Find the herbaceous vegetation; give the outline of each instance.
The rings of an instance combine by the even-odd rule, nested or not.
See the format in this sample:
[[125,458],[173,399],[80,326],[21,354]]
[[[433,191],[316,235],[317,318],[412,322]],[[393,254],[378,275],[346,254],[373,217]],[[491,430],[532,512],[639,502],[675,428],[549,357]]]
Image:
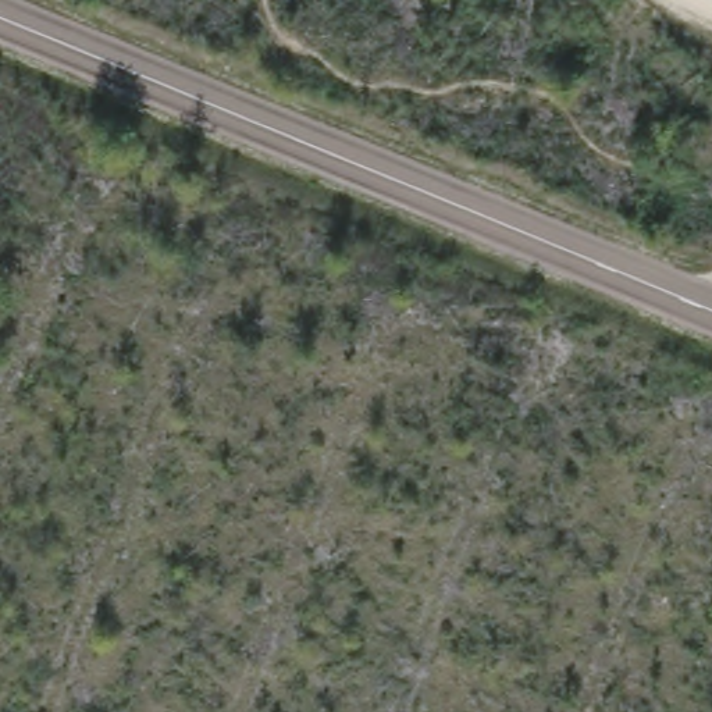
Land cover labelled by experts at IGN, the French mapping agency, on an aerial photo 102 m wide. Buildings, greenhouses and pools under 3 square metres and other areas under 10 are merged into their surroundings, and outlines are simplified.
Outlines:
[[631,231],[626,220],[620,214],[587,209],[579,197],[567,192],[551,192],[548,186],[537,184],[526,170],[495,161],[476,161],[451,145],[417,134],[409,125],[406,106],[398,108],[392,117],[381,120],[348,103],[331,103],[325,97],[314,97],[306,92],[284,92],[273,83],[273,75],[261,67],[261,61],[253,53],[211,53],[206,39],[200,36],[178,39],[170,31],[161,31],[142,19],[131,19],[128,14],[117,14],[106,6],[72,0],[28,0],[61,17],[86,17],[86,25],[108,36],[117,36],[147,53],[178,61],[181,67],[189,67],[223,83],[239,86],[250,95],[267,97],[281,106],[292,106],[312,120],[348,131],[350,136],[367,139],[401,156],[417,159],[420,164],[442,170],[453,178],[484,178],[501,186],[503,197],[517,200],[545,217],[556,217],[609,242],[623,242],[634,250],[640,250],[645,242],[645,236],[640,231]]

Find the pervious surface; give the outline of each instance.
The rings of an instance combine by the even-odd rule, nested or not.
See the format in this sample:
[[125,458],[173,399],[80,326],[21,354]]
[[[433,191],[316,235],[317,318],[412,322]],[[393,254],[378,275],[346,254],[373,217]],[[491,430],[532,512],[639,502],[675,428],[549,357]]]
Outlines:
[[270,31],[275,45],[298,56],[317,58],[325,72],[331,72],[337,81],[353,89],[362,86],[362,78],[348,72],[339,61],[331,61],[320,47],[312,47],[295,33],[289,33],[278,22],[273,0],[259,0],[259,19]]
[[712,33],[712,0],[656,0],[676,19]]
[[442,86],[423,86],[412,78],[373,78],[370,92],[403,89],[420,97],[448,97],[459,89],[473,86],[490,92],[515,92],[515,81],[498,78],[459,78]]

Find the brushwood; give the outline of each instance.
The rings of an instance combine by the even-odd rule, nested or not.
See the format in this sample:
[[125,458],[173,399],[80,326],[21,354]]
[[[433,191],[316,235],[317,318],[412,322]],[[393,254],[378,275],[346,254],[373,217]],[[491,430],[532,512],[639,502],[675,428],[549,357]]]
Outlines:
[[153,239],[159,239],[161,248],[147,259],[150,267],[170,273],[200,273],[200,259],[206,256],[211,242],[206,234],[211,228],[225,228],[234,220],[248,223],[250,228],[261,223],[278,225],[281,220],[312,220],[312,234],[323,236],[325,248],[331,250],[331,256],[323,261],[323,273],[328,278],[342,278],[348,286],[356,286],[353,300],[348,306],[359,314],[364,312],[364,298],[373,289],[401,295],[423,306],[428,317],[439,317],[448,306],[481,306],[484,314],[492,320],[537,320],[551,312],[559,314],[559,320],[565,323],[562,337],[573,345],[609,348],[623,334],[631,339],[648,339],[654,345],[645,367],[645,387],[651,389],[651,395],[626,392],[626,409],[670,406],[676,398],[687,395],[712,398],[712,342],[676,334],[662,323],[642,317],[620,303],[612,303],[584,286],[548,281],[540,270],[520,270],[517,264],[501,256],[481,253],[473,245],[439,236],[431,228],[403,220],[389,209],[328,189],[314,175],[298,175],[292,170],[259,161],[234,147],[206,139],[197,153],[203,167],[189,181],[184,181],[181,175],[172,184],[175,200],[147,195],[142,200],[142,209],[120,209],[120,220],[128,231],[145,231]]

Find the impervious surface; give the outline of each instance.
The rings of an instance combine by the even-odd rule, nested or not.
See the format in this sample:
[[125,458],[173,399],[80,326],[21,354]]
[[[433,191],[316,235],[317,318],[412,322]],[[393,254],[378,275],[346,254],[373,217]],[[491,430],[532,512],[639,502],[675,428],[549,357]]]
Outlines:
[[673,267],[668,259],[659,259],[651,245],[645,242],[640,250],[634,250],[623,242],[609,242],[556,217],[545,217],[517,200],[503,197],[501,186],[484,178],[453,178],[442,170],[420,164],[417,159],[401,156],[367,139],[350,136],[348,131],[312,120],[292,106],[281,106],[267,97],[250,95],[239,86],[223,83],[189,67],[181,67],[178,61],[147,53],[117,36],[108,36],[86,25],[86,17],[61,17],[28,0],[0,0],[0,50],[3,56],[17,58],[25,67],[47,72],[42,78],[45,95],[56,103],[61,114],[67,114],[70,120],[86,117],[92,125],[106,131],[106,136],[122,136],[125,131],[131,131],[139,128],[142,120],[150,114],[170,125],[203,128],[206,139],[234,147],[259,161],[292,170],[298,175],[314,175],[328,189],[389,209],[403,220],[431,228],[439,236],[473,245],[481,253],[501,256],[517,264],[520,270],[540,270],[548,281],[584,286],[612,303],[620,303],[642,317],[662,323],[676,334],[712,342],[712,273],[684,273]]

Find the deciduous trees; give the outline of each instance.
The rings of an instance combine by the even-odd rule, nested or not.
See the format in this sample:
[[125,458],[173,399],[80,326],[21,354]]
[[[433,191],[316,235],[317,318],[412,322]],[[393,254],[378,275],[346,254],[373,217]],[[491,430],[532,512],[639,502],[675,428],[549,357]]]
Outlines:
[[584,145],[573,156],[576,167],[587,181],[592,181],[592,186],[606,189],[606,200],[623,197],[634,203],[634,217],[626,220],[631,231],[640,231],[645,236],[645,242],[651,245],[656,236],[673,236],[679,245],[687,245],[698,234],[712,234],[712,33],[676,19],[656,0],[534,0],[531,47],[548,50],[545,70],[556,83],[534,86],[531,103],[551,100],[565,114],[565,122]]
[[134,170],[134,164],[145,156],[145,147],[139,147],[131,131],[125,131],[122,136],[106,136],[106,131],[92,125],[86,117],[70,120],[67,114],[61,114],[56,103],[45,95],[22,95],[14,86],[11,75],[0,75],[0,186],[19,189],[25,170],[31,170],[36,161],[45,172],[64,175],[67,181],[75,181],[78,167],[89,167],[97,175],[108,178],[122,175]]

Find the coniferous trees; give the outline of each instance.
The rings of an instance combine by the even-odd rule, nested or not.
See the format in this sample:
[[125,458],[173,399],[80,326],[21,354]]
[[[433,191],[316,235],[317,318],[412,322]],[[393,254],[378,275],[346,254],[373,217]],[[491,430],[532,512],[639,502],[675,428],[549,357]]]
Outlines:
[[348,306],[353,300],[356,286],[348,286],[342,278],[328,278],[323,273],[323,261],[331,256],[331,250],[325,248],[323,236],[312,234],[312,220],[281,220],[278,225],[261,223],[250,228],[248,223],[234,220],[225,228],[211,228],[206,234],[211,242],[206,256],[200,259],[200,273],[170,273],[150,267],[147,259],[161,248],[159,239],[153,239],[145,231],[128,231],[120,220],[120,209],[142,209],[142,200],[147,195],[175,200],[172,184],[181,175],[184,181],[189,181],[203,167],[197,153],[206,139],[203,128],[170,125],[150,114],[142,120],[139,128],[131,131],[139,147],[145,147],[145,156],[134,164],[134,170],[122,175],[108,178],[97,175],[89,167],[78,167],[75,181],[67,181],[64,175],[45,172],[36,161],[31,170],[25,170],[19,189],[0,186],[0,712],[712,712],[712,398],[687,395],[676,398],[670,406],[626,409],[626,392],[651,395],[651,389],[645,387],[645,367],[654,345],[648,339],[631,339],[623,334],[609,348],[573,345],[562,337],[565,323],[559,320],[559,314],[551,312],[537,320],[492,320],[484,314],[481,306],[448,306],[439,317],[428,317],[423,306],[401,295],[373,289],[364,298],[364,312],[359,314]]
[[659,259],[668,259],[673,267],[684,273],[712,273],[712,234],[698,234],[687,245],[679,245],[673,236],[656,236],[651,245]]
[[[295,33],[312,47],[320,47],[331,61],[339,61],[348,72],[362,78],[362,86],[353,89],[337,81],[331,72],[325,72],[317,58],[298,56],[275,45],[270,31],[259,19],[259,0],[72,0],[106,6],[117,14],[128,14],[131,19],[142,19],[161,31],[170,31],[178,39],[200,36],[206,39],[211,53],[253,53],[261,61],[261,67],[273,75],[273,83],[284,92],[306,92],[314,97],[325,97],[331,103],[348,103],[381,120],[392,117],[398,108],[406,106],[409,125],[417,134],[451,145],[476,161],[495,161],[526,170],[537,184],[548,186],[551,192],[567,192],[579,197],[587,209],[620,214],[626,220],[634,217],[634,203],[623,197],[606,200],[606,189],[592,186],[592,181],[587,181],[576,167],[573,156],[584,145],[565,122],[565,114],[551,100],[531,103],[534,86],[556,83],[545,70],[548,50],[531,47],[534,0],[273,0],[278,22],[289,33]],[[373,78],[412,78],[423,86],[442,86],[459,78],[498,78],[515,81],[515,92],[490,92],[473,86],[459,89],[448,97],[420,97],[403,89],[370,92]]]
[[3,56],[0,50],[0,75],[11,75],[14,86],[22,95],[45,95],[42,78],[47,72],[25,67],[17,58]]

